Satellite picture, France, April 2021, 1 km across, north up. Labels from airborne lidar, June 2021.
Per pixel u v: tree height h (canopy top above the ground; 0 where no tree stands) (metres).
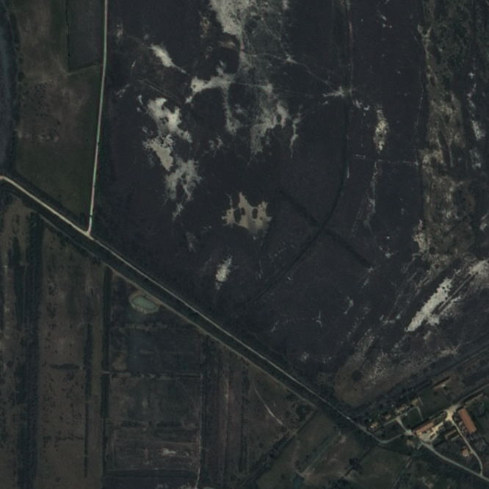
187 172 0
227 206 0
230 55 0
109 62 0
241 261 0
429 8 0
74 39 0
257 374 0
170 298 7
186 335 0
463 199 0
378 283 0
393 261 0
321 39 0
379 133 0
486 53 0
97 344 0
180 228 0
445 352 0
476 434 6
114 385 0
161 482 0
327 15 0
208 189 0
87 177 0
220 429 0
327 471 0
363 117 0
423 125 0
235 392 0
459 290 0
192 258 0
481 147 0
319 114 0
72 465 0
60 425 0
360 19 0
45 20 0
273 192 0
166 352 0
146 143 0
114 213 0
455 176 0
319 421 0
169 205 0
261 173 0
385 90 0
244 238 0
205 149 0
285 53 0
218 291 0
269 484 0
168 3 0
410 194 0
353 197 0
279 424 0
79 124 0
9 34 0
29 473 7
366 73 0
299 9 0
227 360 0
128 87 0
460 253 0
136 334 0
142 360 0
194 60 0
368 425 10
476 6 0
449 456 15
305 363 0
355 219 0
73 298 0
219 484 6
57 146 0
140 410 0
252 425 0
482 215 0
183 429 0
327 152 0
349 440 0
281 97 0
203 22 0
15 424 0
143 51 0
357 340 0
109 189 0
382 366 0
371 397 0
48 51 0
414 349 0
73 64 0
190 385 0
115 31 0
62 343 0
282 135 0
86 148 0
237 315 0
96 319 0
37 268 7
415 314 0
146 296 0
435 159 0
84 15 0
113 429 0
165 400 0
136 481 0
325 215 0
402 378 0
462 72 0
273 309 0
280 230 0
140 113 0
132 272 5
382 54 0
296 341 0
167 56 0
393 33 0
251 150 0
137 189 0
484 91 0
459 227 0
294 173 0
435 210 0
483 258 0
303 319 0
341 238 0
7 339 0
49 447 0
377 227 0
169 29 0
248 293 0
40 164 0
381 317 0
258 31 0
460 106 0
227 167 0
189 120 0
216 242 0
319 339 0
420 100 0
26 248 0
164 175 0
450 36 0
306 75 0
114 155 0
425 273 0
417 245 0
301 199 0
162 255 0
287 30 0
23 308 6
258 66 0
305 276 0
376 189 0
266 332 0
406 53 0
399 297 0
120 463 0
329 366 0
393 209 0
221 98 0
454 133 0
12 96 0
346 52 0
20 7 0
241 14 0
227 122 0
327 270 0
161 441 0
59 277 0
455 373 0
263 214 0
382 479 0
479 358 0
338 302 0
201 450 0
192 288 0
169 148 0
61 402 0
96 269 0
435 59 0
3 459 0
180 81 0
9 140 0
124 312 0
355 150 0
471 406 0
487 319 0
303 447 0
